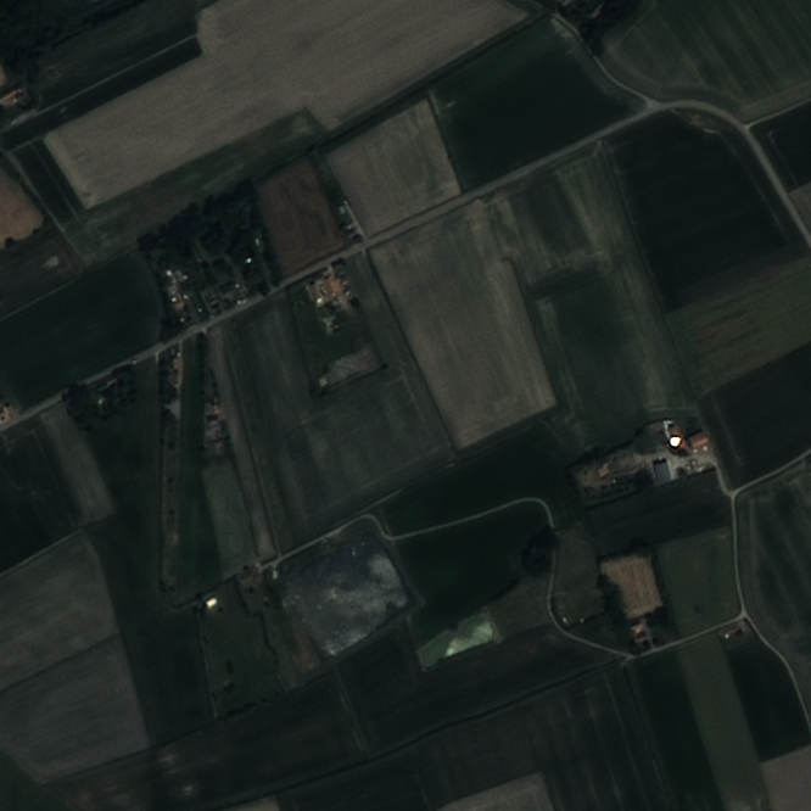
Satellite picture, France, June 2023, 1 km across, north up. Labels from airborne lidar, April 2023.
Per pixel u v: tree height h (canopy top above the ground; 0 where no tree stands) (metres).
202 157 0
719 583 0
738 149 0
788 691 0
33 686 0
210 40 0
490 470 0
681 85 0
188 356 0
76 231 0
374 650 0
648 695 0
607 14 18
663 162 0
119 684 0
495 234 0
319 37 0
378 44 0
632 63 0
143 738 0
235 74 0
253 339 0
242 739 0
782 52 0
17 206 0
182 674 0
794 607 0
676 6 0
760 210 0
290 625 0
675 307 0
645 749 0
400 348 0
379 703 0
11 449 0
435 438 0
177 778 0
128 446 0
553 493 0
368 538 0
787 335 0
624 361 0
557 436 0
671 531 0
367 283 0
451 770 0
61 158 0
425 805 0
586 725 0
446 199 0
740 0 0
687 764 0
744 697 0
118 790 0
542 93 0
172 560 0
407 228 0
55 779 0
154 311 0
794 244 0
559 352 0
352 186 0
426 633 0
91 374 0
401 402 0
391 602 0
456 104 0
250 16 0
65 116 0
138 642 0
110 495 0
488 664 0
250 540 0
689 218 0
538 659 0
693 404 0
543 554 21
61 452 0
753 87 0
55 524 0
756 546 0
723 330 0
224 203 19
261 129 0
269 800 0
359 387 0
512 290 0
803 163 0
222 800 0
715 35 0
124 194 0
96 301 0
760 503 0
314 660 0
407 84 0
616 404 0
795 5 0
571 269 0
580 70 0
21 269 0
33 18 6
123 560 0
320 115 0
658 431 0
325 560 0
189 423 0
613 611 18
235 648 0
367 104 0
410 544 0
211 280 10
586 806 0
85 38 0
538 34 0
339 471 0
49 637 0
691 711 0
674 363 0
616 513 0
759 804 0
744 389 0
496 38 0
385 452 0
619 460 0
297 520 0
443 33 0
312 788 0
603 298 0
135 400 6
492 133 0
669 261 0
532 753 0
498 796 0
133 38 0
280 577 0
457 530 0
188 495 0
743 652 0
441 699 0
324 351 0
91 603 0
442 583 0
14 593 0
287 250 0
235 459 0
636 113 0
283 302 0
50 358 0
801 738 0
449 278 0
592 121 0
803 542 0
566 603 0
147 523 0
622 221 0
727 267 0
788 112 0
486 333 0
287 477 0
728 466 0
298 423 0
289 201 0
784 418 0
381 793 0
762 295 0
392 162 0
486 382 0
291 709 0
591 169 0
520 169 0
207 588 0
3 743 0
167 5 0
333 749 0
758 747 0
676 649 0
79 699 0
